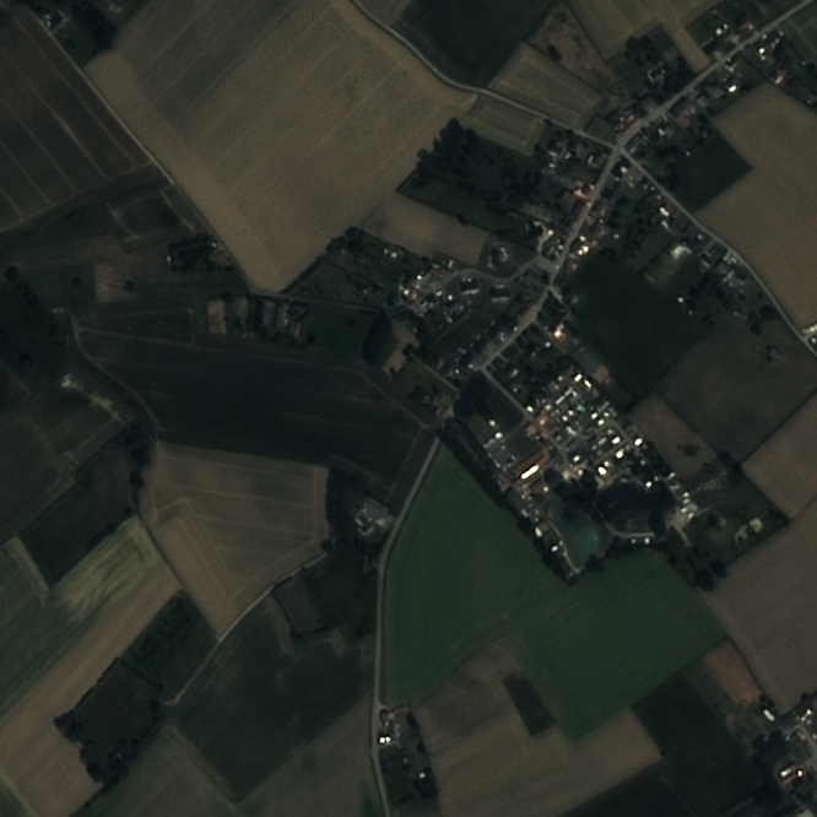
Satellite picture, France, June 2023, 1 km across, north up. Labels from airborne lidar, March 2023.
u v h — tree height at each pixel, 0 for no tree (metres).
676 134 0
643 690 0
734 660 0
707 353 0
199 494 0
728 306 10
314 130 0
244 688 0
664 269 0
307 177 0
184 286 0
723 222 0
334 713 0
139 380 0
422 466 0
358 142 0
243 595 0
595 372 0
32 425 0
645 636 0
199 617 0
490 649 0
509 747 0
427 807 0
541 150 10
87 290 0
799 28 0
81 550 0
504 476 0
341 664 0
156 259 0
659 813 0
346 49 0
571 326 6
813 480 0
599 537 0
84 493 0
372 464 0
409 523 0
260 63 0
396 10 0
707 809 0
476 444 13
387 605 0
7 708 0
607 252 11
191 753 0
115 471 0
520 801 0
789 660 0
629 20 0
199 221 0
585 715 0
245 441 0
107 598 0
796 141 0
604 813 0
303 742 0
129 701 0
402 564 0
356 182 0
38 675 0
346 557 0
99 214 0
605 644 0
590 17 0
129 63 0
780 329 0
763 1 0
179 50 0
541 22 0
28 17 0
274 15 0
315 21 0
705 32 0
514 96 0
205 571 0
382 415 0
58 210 0
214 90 0
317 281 0
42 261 0
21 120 0
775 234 0
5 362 0
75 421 0
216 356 0
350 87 0
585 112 0
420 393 9
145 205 0
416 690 0
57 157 0
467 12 0
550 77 0
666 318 0
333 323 0
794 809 7
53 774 0
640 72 0
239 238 0
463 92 0
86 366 0
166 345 0
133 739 0
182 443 0
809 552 0
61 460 0
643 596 0
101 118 0
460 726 0
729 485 0
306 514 0
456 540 0
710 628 0
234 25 0
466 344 0
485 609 0
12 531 0
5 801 0
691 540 0
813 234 0
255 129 0
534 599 0
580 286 0
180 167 0
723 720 0
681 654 0
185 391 0
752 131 0
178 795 0
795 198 0
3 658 0
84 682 0
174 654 0
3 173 0
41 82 0
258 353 0
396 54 0
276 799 0
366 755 0
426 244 0
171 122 0
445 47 0
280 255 0
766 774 14
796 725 0
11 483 0
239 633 0
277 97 0
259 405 0
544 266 0
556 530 0
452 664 0
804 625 0
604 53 0
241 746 0
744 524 0
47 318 0
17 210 0
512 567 0
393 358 0
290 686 0
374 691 0
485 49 0
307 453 0
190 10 0
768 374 0
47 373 0
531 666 0
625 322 0
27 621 0
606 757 0
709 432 0
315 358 0
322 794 0
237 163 0
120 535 0
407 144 0
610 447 0
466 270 0
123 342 0
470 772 0
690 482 0
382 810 0
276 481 0
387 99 0
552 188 0
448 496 0
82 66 0
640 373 0
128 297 0
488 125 0
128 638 0
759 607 0
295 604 0
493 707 0
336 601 0
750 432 0
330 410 0
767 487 0
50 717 0
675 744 0
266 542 0
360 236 10
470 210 0
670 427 0
